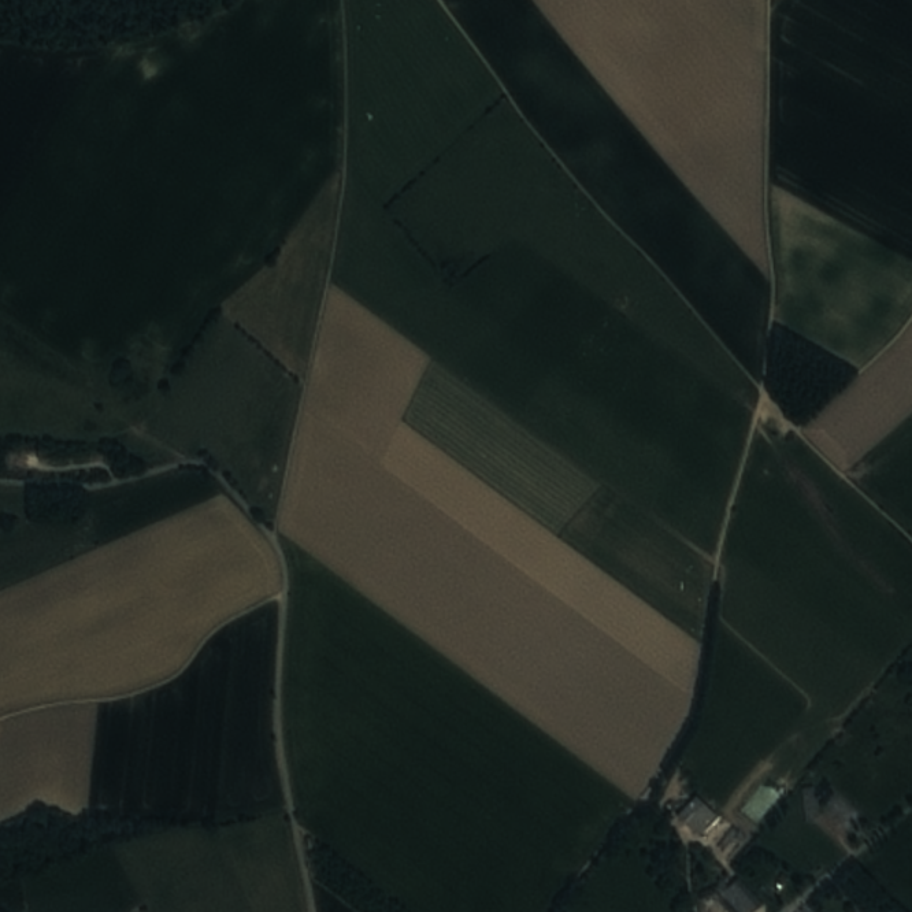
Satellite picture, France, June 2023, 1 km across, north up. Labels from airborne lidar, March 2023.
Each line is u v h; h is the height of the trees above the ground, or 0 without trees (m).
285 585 0
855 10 0
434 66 0
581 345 0
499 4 0
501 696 0
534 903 0
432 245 0
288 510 0
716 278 0
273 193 0
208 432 0
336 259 0
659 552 0
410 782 0
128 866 0
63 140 0
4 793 0
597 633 0
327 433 0
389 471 0
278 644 0
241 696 0
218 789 0
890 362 0
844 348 0
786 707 0
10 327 0
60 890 0
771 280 0
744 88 0
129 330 0
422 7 0
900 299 0
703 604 0
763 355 0
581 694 0
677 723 0
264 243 0
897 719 0
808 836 0
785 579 0
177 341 0
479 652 0
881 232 0
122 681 0
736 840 0
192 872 0
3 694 0
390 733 0
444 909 0
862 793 0
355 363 0
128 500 0
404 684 0
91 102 0
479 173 0
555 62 0
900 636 0
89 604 0
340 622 0
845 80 0
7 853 19
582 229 0
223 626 0
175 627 0
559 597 0
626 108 0
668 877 22
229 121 0
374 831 0
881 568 0
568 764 0
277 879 0
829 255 0
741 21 0
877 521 0
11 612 0
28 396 0
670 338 0
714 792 0
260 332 0
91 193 0
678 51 0
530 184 0
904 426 0
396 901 8
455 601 0
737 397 0
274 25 0
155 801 0
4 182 0
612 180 0
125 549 0
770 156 0
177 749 0
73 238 0
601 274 0
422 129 0
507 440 0
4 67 0
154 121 0
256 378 0
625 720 0
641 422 0
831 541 0
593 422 0
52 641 0
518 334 0
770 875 0
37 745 0
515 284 0
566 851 0
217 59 0
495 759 0
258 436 0
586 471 0
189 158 0
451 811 0
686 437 0
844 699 0
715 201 0
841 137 0
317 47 0
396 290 0
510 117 0
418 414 0
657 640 0
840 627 0
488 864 0
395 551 0
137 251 0
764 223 0
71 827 17
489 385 0
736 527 0
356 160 0
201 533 0
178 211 0
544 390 0
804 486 0
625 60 0
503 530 0
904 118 0
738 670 0
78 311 0
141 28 18
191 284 0
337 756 0
